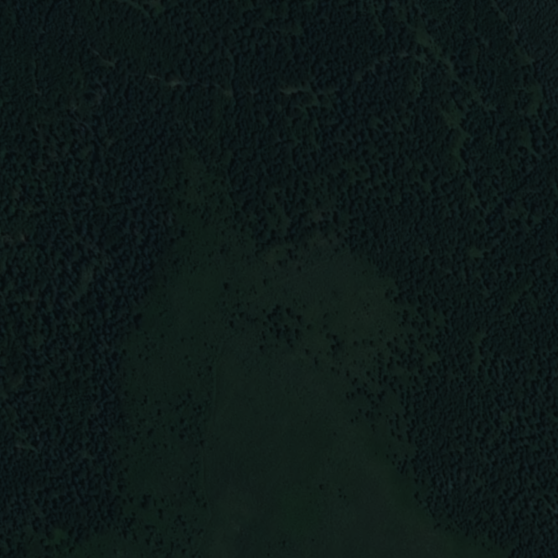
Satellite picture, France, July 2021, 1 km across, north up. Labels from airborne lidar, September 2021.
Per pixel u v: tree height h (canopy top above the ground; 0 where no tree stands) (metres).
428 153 20
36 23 22
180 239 8
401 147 14
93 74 18
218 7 18
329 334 7
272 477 0
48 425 15
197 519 6
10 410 35
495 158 12
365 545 0
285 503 0
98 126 14
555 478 16
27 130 17
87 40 23
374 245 17
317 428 0
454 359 23
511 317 16
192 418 8
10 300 10
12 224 26
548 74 23
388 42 22
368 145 25
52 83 17
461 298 12
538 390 25
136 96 23
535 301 9
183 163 14
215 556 0
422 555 0
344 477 0
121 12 21
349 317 0
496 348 18
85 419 7
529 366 19
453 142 19
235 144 26
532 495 21
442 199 24
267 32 26
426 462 13
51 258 24
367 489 0
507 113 11
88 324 10
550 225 22
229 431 0
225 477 0
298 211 5
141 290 28
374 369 7
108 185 19
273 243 19
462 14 15
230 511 0
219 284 0
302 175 21
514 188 10
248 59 30
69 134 14
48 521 9
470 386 14
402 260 21
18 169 25
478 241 19
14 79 14
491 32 14
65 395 8
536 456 22
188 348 0
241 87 25
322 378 0
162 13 18
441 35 13
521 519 16
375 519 0
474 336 8
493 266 13
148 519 0
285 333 15
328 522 0
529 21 22
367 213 21
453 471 19
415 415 12
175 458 0
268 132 24
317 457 0
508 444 13
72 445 14
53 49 17
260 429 0
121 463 13
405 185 13
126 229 36
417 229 17
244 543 0
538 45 22
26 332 12
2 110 16
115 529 8
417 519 0
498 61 29
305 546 0
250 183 28
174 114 27
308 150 20
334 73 26
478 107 12
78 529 7
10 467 20
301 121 20
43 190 27
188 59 14
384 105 24
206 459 0
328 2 27
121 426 17
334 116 12
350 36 21
